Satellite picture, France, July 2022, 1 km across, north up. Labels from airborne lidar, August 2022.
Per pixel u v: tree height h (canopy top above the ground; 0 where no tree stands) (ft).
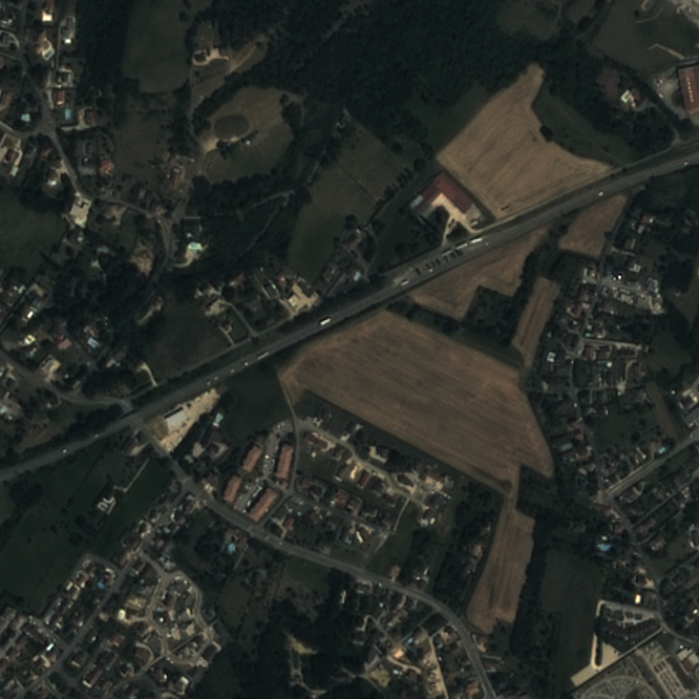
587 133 0
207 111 26
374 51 29
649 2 0
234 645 19
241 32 69
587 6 0
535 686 18
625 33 0
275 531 28
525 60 43
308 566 0
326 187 0
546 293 0
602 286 0
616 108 35
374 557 0
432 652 0
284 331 35
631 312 0
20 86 0
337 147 61
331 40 37
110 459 0
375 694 31
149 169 0
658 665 0
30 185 18
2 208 0
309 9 27
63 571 0
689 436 0
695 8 0
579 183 0
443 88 37
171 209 45
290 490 0
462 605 24
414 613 42
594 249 0
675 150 0
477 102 0
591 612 0
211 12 46
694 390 0
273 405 0
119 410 47
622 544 38
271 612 21
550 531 31
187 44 26
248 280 19
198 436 45
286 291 18
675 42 0
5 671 21
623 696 0
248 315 39
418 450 0
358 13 21
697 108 0
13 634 32
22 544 0
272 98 0
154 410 0
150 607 0
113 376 74
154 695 22
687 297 0
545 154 0
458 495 0
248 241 19
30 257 0
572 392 0
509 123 0
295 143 30
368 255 45
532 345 0
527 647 42
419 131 41
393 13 45
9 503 0
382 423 0
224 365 0
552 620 31
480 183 0
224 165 0
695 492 29
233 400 36
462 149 0
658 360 0
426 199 0
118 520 0
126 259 38
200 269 28
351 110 52
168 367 0
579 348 0
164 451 0
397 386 0
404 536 0
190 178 0
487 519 25
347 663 61
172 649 0
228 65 0
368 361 0
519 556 0
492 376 0
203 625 0
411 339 0
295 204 26
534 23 0
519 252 0
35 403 50
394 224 0
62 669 0
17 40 0
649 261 0
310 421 0
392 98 53
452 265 0
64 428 0
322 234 0
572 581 0
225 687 0
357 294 59
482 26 56
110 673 0
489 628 0
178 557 0
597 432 0
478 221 0
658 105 44
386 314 0
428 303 0
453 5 56
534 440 0
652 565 0
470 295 0
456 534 35
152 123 0
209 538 46
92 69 38
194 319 0
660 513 17
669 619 30
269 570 24
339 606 59
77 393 0
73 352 0
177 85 0
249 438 19
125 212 0
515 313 40
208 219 46
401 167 0
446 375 0
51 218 0
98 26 37
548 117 0
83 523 60
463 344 0
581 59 17
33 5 37
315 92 23
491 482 0
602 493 0
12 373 0
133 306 47
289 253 38
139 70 0
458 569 20
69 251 35
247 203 50
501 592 0
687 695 0
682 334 46
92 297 41
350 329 0
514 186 0
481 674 0
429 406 0
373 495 0
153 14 0
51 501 0
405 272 0
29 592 0
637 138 53
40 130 0
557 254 0
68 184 30
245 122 0
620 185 0
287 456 0
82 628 0
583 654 0
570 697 66
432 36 28
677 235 29
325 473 0
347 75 34
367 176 0
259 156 0
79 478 0
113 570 0
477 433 0
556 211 0
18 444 21
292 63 44
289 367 0
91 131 24
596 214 0
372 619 24
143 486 0
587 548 23
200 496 0
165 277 55
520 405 0
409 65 37
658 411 0
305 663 0
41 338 0
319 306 27
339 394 0
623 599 49
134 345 34
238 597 0
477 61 19
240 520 0
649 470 0
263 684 42
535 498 0
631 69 31
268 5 31
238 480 0
